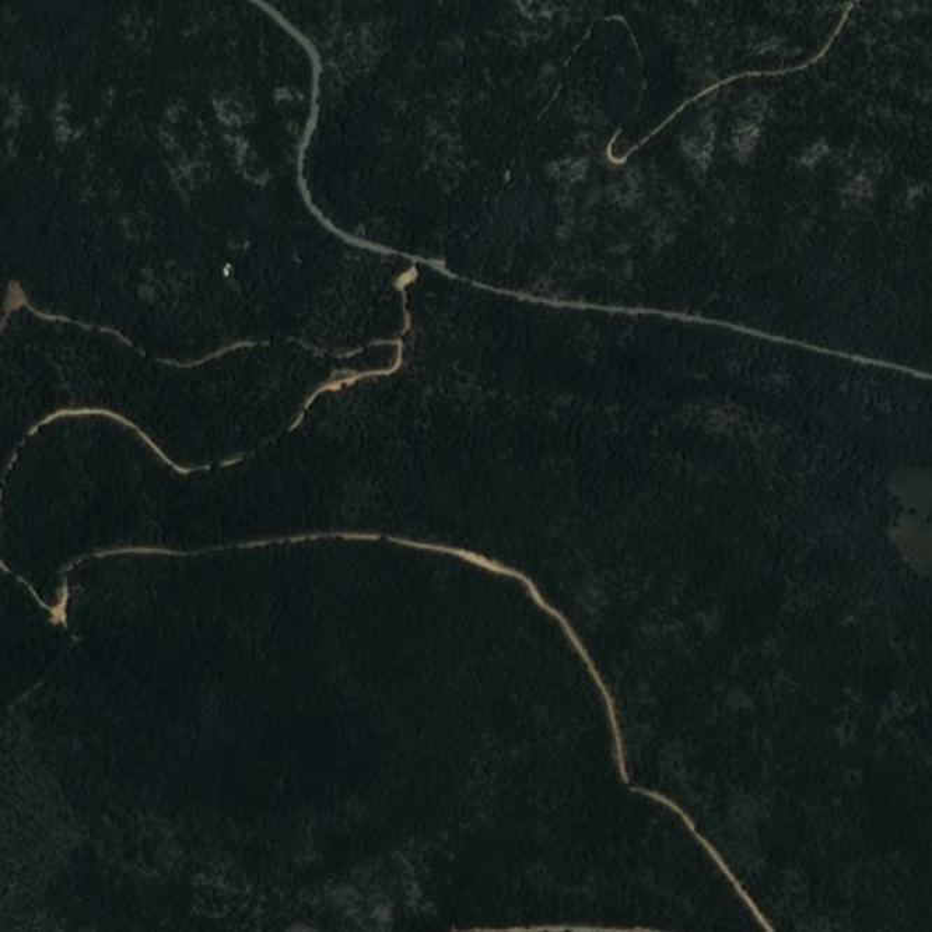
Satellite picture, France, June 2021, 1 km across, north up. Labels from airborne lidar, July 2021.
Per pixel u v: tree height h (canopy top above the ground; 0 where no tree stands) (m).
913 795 9
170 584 9
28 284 8
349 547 7
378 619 6
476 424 8
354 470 9
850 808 8
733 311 12
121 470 6
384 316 13
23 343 12
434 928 10
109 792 7
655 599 7
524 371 11
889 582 12
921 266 9
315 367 9
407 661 8
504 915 9
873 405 10
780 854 9
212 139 6
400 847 5
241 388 9
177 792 8
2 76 7
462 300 8
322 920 8
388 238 7
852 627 11
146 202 7
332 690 8
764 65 9
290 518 11
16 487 11
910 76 7
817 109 9
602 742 8
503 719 11
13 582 15
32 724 6
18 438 13
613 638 9
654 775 8
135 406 12
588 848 8
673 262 6
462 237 12
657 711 8
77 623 8
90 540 18
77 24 14
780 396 12
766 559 8
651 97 9
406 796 8
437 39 8
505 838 6
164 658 14
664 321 12
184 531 16
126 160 8
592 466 11
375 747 10
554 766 7
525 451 11
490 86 7
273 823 7
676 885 9
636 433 12
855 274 8
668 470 13
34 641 17
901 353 12
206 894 10
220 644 13
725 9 6
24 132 6
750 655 7
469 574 8
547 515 6
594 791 8
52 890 8
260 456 14
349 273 6
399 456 9
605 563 7
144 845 8
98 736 6
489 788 7
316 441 8
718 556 10
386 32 8
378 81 10
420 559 7
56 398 11
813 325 8
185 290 6
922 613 16
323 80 8
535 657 5
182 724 9
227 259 9
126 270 7
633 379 16
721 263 9
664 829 7
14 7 7
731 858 9
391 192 7
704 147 0
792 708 9
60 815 8
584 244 5
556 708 9
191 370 7
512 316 12
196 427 17
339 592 8
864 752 10
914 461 12
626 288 6
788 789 7
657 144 6
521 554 5
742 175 6
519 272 8
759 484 11
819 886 10
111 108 5
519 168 10
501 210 8
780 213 7
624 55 13
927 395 10
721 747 11
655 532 8
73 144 7
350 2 6
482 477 10
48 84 6
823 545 9
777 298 8
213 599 14
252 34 7
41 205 12
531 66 8
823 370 11
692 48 6
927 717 10
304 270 14
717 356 12
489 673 8
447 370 9
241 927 8
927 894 8
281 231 7
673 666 7
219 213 6
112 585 7
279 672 12
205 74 6
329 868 8
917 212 7
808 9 7
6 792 7
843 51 6
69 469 6
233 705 14
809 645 9
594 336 8
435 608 7
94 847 8
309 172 10
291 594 15
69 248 11
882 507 11
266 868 8
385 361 7
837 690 7
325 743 16
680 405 7
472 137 6
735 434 6
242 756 16
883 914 7
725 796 7
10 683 13
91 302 10
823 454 11
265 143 6
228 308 6
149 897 7
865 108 5
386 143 6
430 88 7
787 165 7
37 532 9
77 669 12
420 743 6
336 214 13
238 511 15
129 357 11
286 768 16
